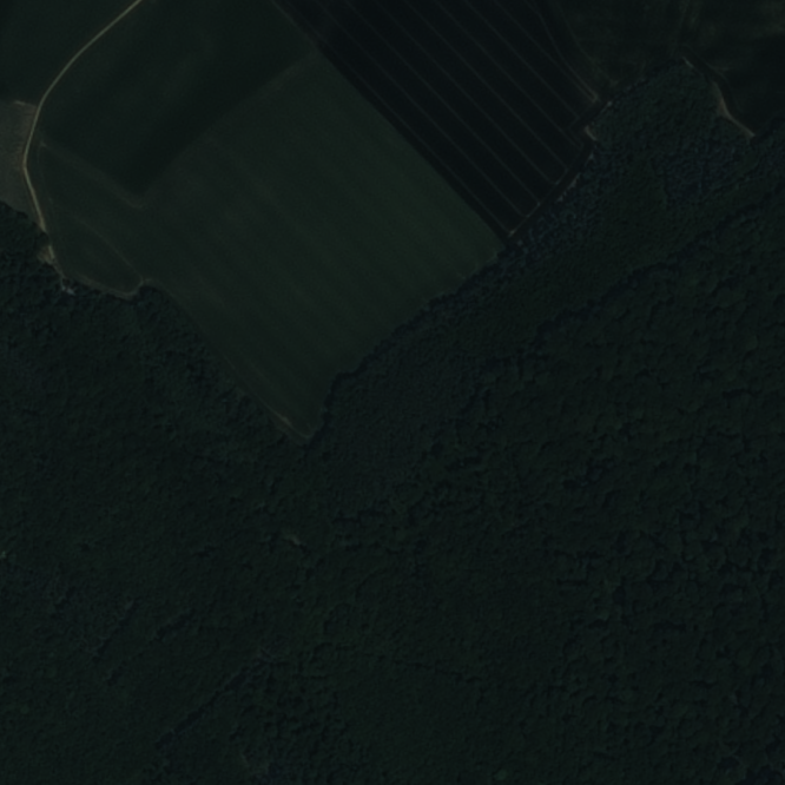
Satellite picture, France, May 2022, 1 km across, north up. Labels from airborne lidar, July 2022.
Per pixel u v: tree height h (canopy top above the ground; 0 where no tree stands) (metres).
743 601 28
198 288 0
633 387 31
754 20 0
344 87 0
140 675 17
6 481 18
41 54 0
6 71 0
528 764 21
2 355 20
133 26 0
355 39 0
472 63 0
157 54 0
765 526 30
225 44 0
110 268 0
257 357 0
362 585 21
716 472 30
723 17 0
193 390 26
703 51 0
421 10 0
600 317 30
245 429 25
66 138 0
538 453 26
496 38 0
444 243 0
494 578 18
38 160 0
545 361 29
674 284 32
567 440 31
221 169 0
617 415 32
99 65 0
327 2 0
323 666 23
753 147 15
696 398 32
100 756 17
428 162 0
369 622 16
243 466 22
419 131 0
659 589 35
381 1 0
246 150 0
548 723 26
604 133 22
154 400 25
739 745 27
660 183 11
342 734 19
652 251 13
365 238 0
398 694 21
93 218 0
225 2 0
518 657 19
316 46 0
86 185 0
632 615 32
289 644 20
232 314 0
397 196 0
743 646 26
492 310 14
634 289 28
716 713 29
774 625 29
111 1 0
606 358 33
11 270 18
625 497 31
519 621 18
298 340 0
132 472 19
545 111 0
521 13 0
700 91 22
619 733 26
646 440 32
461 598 21
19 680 20
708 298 32
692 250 27
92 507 19
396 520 26
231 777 23
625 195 14
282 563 26
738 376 30
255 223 0
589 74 0
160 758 17
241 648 25
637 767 22
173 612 19
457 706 19
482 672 16
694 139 22
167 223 0
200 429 26
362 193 0
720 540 37
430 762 20
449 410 24
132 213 0
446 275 0
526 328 14
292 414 0
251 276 0
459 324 14
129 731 19
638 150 23
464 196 0
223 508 23
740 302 32
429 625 13
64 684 18
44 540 16
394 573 20
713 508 34
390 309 0
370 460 24
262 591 26
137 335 21
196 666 19
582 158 0
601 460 23
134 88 0
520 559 20
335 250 0
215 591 26
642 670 31
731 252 24
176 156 0
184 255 0
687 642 30
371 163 0
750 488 24
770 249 24
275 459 24
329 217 0
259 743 22
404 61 0
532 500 23
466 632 16
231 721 22
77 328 30
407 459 22
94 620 18
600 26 0
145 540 20
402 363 24
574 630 26
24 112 0
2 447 20
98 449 22
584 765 17
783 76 0
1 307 20
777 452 27
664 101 24
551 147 0
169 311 19
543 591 19
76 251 0
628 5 0
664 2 0
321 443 19
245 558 30
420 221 0
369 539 28
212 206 0
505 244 0
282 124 0
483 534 17
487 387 30
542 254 18
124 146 0
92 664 15
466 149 0
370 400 20
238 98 0
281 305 0
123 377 24
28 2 0
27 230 19
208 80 0
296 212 0
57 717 18
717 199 13
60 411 18
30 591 18
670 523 26
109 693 15
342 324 0
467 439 26
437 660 14
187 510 26
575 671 28
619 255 13
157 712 19
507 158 0
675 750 29
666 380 29
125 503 17
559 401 29
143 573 15
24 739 19
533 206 0
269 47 0
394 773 23
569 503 28
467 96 0
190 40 0
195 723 19
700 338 31
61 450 18
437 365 20
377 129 0
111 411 23
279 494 25
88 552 20
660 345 28
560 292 14
